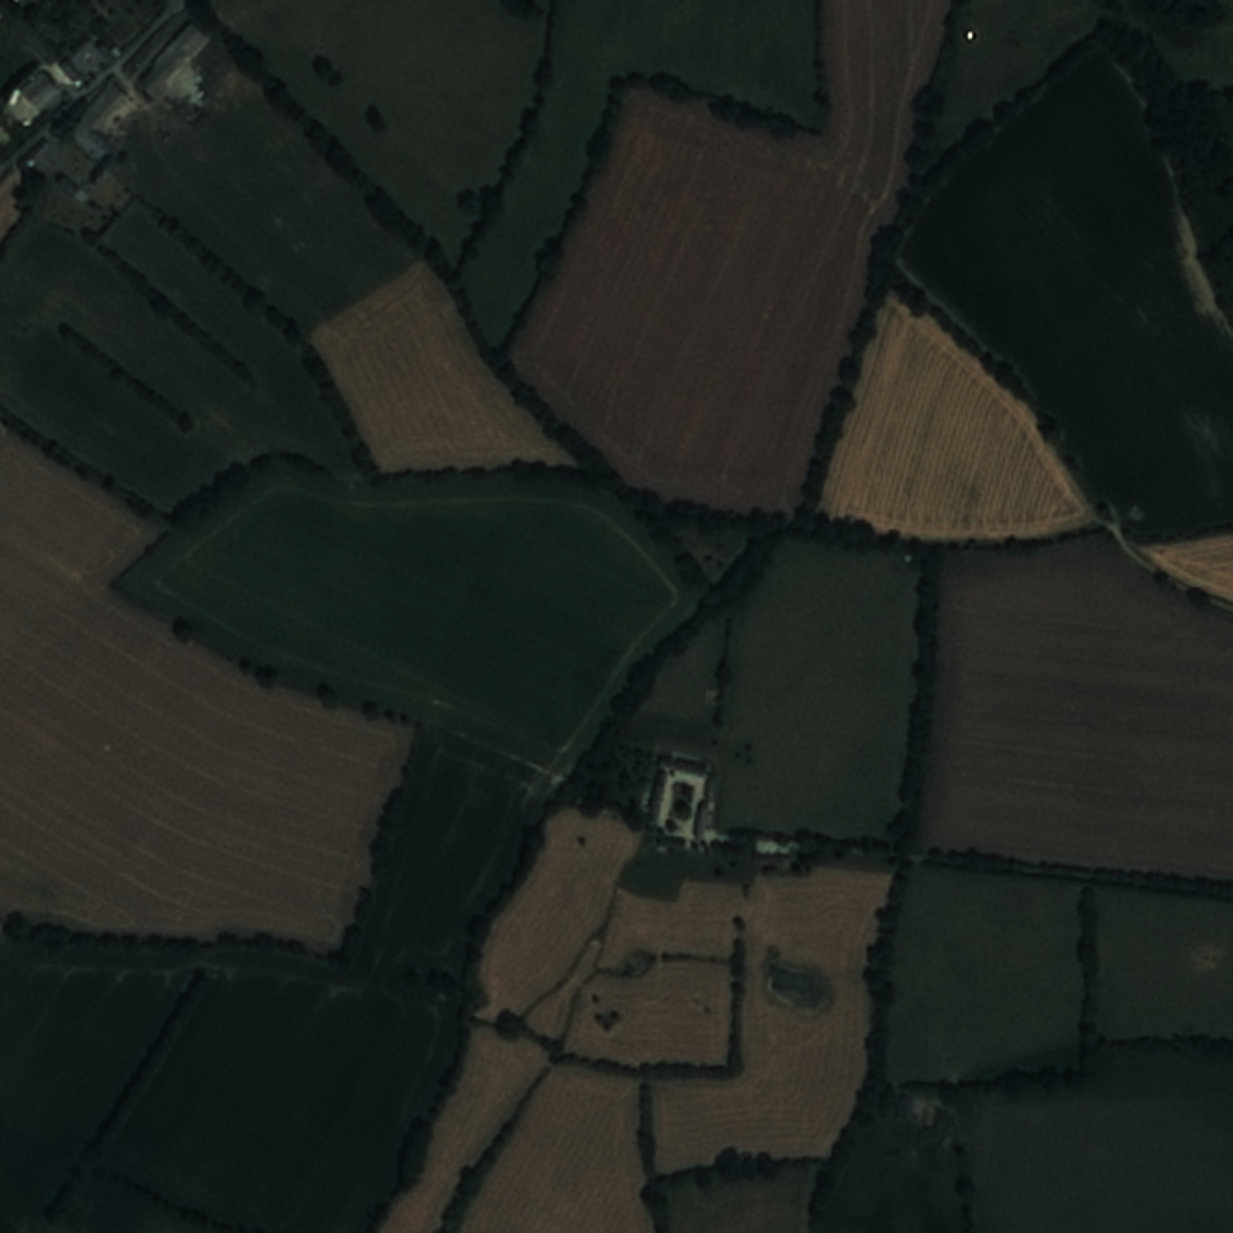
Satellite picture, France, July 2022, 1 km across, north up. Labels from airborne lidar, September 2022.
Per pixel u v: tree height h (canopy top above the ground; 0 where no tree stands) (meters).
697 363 0
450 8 0
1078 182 0
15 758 0
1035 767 0
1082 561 0
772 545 15
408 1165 19
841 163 0
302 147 0
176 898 0
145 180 0
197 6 18
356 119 0
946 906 0
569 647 0
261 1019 0
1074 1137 0
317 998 0
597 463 17
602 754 8
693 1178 7
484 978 0
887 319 0
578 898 0
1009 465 0
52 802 0
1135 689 0
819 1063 0
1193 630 0
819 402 0
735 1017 7
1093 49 10
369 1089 0
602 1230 0
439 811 0
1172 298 0
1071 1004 0
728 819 0
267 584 0
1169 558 0
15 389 0
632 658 0
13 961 0
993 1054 0
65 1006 0
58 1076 0
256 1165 0
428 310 0
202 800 0
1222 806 0
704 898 0
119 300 0
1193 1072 0
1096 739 0
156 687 0
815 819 0
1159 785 0
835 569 0
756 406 0
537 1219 0
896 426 0
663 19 0
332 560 0
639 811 11
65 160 0
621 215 0
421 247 16
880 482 0
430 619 0
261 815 0
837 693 0
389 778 0
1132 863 0
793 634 0
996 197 0
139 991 0
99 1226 0
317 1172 0
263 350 0
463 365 0
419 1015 0
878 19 0
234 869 0
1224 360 0
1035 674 0
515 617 0
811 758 0
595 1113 0
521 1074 0
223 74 0
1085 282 0
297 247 0
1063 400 0
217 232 0
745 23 0
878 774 0
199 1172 0
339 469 0
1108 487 0
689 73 0
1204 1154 0
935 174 12
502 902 8
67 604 0
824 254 0
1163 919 0
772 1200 0
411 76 0
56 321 0
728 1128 0
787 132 18
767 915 0
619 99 14
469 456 0
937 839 0
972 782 0
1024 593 0
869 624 0
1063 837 0
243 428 0
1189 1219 0
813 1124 0
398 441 0
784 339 0
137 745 0
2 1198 0
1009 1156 0
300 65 0
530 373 0
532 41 0
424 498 0
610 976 0
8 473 0
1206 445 0
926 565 12
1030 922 0
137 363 0
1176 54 0
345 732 0
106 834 0
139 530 0
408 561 0
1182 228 0
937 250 0
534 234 0
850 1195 0
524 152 11
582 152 0
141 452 0
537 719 0
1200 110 18
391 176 0
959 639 0
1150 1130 0
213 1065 0
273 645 0
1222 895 8
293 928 0
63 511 0
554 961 0
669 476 0
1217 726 0
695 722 0
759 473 0
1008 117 18
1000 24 0
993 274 0
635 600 0
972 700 0
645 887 0
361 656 0
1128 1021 0
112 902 0
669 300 0
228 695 0
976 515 0
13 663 0
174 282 0
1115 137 0
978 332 0
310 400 0
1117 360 0
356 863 0
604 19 0
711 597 14
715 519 16
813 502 8
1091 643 0
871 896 0
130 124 0
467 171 0
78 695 0
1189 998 0
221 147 0
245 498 0
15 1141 0
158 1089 0
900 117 0
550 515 0
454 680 0
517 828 0
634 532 0
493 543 0
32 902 0
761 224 0
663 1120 0
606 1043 0
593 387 0
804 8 0
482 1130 0
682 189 0
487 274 0
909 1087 7
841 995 0
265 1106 0
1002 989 0
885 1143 0
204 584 0
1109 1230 0
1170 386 0
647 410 0
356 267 0
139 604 0
